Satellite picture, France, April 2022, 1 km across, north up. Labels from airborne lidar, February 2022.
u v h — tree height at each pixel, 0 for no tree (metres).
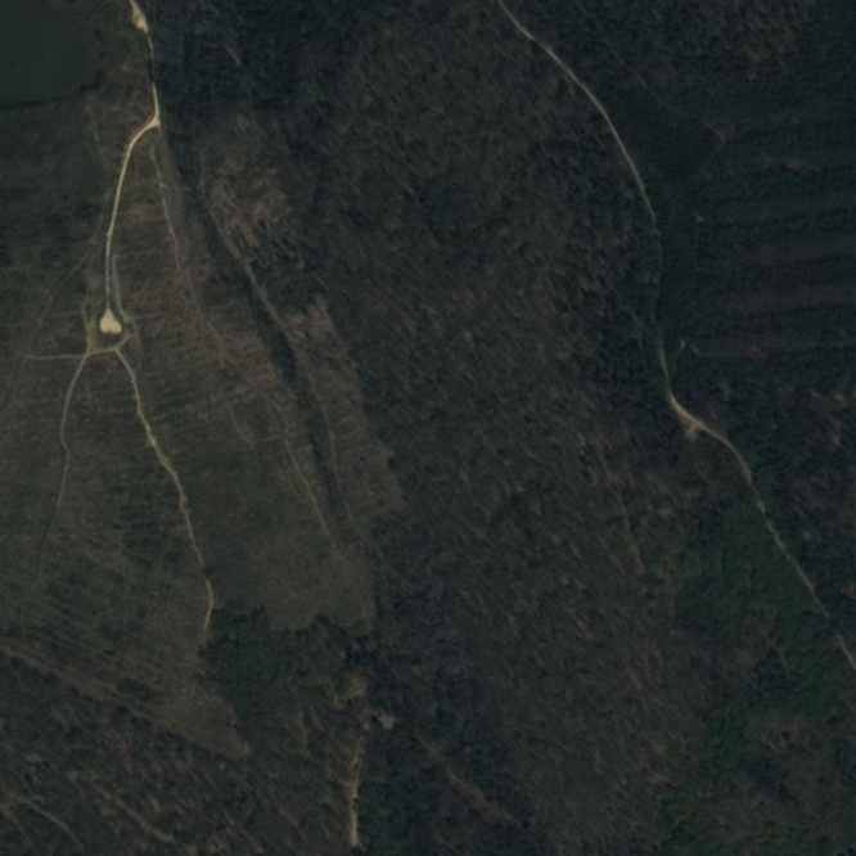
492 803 16
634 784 25
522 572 26
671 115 12
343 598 0
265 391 0
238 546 0
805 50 15
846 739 28
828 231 18
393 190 29
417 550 18
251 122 20
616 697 27
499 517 26
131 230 0
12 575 0
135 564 0
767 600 21
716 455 7
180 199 0
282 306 19
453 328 26
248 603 0
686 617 11
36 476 0
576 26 30
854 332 18
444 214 29
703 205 21
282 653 24
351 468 0
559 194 28
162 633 0
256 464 0
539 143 28
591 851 30
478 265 27
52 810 22
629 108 18
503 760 23
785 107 12
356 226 27
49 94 0
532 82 25
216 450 0
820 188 20
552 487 28
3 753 24
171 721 0
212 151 0
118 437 0
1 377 0
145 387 0
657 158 18
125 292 0
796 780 37
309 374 0
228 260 19
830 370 14
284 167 21
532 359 28
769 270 12
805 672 19
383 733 31
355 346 24
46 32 0
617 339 35
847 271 16
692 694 31
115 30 0
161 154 0
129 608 0
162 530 0
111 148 0
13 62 0
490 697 24
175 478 0
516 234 32
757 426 29
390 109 30
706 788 27
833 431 30
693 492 27
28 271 0
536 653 25
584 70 28
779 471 33
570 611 29
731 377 18
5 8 0
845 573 28
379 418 27
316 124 26
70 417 0
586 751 27
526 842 27
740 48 24
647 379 37
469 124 30
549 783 25
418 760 28
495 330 27
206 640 0
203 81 19
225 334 0
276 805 32
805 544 24
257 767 24
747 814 30
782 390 28
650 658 26
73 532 0
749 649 28
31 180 0
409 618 26
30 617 0
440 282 27
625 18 27
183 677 22
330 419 0
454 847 21
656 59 30
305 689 33
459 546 26
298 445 0
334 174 26
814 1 24
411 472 25
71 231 0
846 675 36
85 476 0
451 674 21
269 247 17
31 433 0
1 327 0
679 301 22
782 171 11
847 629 31
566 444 30
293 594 0
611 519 29
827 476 29
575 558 29
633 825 31
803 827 35
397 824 26
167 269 0
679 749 31
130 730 6
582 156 33
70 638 0
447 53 31
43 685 25
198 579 0
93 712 29
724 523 35
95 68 0
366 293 24
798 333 16
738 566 22
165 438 0
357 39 22
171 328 0
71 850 31
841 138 20
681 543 19
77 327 0
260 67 11
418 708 29
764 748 33
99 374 0
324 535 0
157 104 0
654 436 30
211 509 0
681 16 27
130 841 26
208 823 19
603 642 29
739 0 23
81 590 0
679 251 17
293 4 29
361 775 29
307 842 28
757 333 15
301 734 25
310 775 30
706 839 24
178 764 29
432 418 27
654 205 17
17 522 0
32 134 0
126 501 0
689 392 12
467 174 29
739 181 15
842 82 13
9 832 32
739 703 26
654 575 23
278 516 0
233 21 21
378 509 0
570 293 31
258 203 0
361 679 27
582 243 28
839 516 27
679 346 11
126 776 26
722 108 14
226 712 0
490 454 29
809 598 23
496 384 30
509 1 23
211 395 0
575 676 25
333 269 0
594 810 26
